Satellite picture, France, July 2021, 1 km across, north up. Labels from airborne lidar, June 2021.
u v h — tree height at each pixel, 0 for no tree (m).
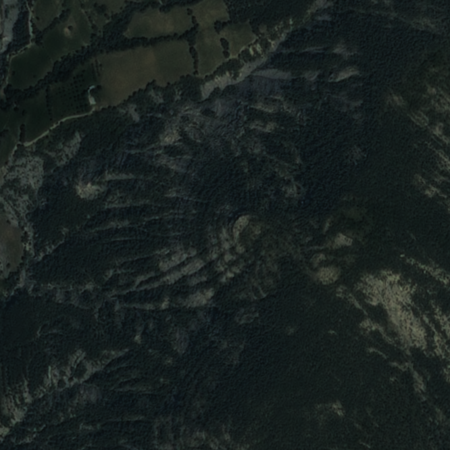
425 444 7
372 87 8
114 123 16
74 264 8
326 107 6
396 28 7
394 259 5
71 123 7
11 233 0
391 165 7
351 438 7
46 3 0
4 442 8
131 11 11
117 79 0
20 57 0
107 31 12
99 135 10
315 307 6
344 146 8
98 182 7
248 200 8
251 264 6
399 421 8
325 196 9
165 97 7
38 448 9
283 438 6
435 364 8
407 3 8
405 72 6
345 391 7
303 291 6
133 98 9
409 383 10
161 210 6
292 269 8
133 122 7
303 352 7
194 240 7
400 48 8
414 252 6
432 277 6
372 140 7
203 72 0
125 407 6
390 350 5
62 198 10
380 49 8
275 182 11
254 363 7
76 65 10
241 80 0
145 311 9
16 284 9
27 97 13
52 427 10
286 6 10
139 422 8
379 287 0
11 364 14
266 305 6
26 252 7
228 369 7
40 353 9
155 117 9
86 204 8
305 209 6
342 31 6
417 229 7
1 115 0
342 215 6
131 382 8
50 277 10
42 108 0
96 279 6
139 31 0
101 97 0
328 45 7
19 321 16
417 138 7
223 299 7
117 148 12
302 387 7
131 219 8
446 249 7
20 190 8
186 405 9
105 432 9
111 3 0
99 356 8
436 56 9
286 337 7
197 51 8
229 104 0
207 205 7
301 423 7
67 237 10
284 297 8
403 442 8
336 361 7
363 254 7
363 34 10
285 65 7
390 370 8
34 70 0
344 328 6
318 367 6
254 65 0
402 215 10
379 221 9
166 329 6
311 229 6
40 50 0
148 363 6
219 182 7
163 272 6
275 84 0
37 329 11
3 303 18
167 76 0
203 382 6
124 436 6
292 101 8
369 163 7
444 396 6
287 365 6
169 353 7
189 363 7
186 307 6
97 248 8
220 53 0
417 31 7
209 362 5
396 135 10
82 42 0
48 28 7
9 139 0
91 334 9
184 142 6
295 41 8
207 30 0
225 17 0
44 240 6
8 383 6
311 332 9
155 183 7
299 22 7
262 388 6
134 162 6
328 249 7
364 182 7
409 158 7
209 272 6
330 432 6
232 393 6
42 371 6
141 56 0
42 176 6
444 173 7
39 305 11
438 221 8
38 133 0
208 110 6
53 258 11
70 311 9
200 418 9
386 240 7
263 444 6
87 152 8
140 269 10
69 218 8
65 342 7
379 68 7
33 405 6
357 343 6
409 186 8
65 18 12
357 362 6
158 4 11
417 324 0
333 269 0
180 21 0
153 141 6
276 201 7
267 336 10
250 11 10
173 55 0
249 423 6
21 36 8
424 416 8
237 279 8
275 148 6
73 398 8
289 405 6
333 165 7
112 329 6
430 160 8
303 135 7
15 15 0
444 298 7
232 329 7
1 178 0
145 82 0
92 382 8
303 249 6
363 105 9
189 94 12
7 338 17
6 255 0
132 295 7
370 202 7
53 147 6
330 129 8
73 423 9
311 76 0
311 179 7
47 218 6
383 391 6
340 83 7
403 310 0
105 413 8
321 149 6
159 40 7
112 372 9
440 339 0
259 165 7
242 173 6
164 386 9
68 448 7
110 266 7
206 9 0
